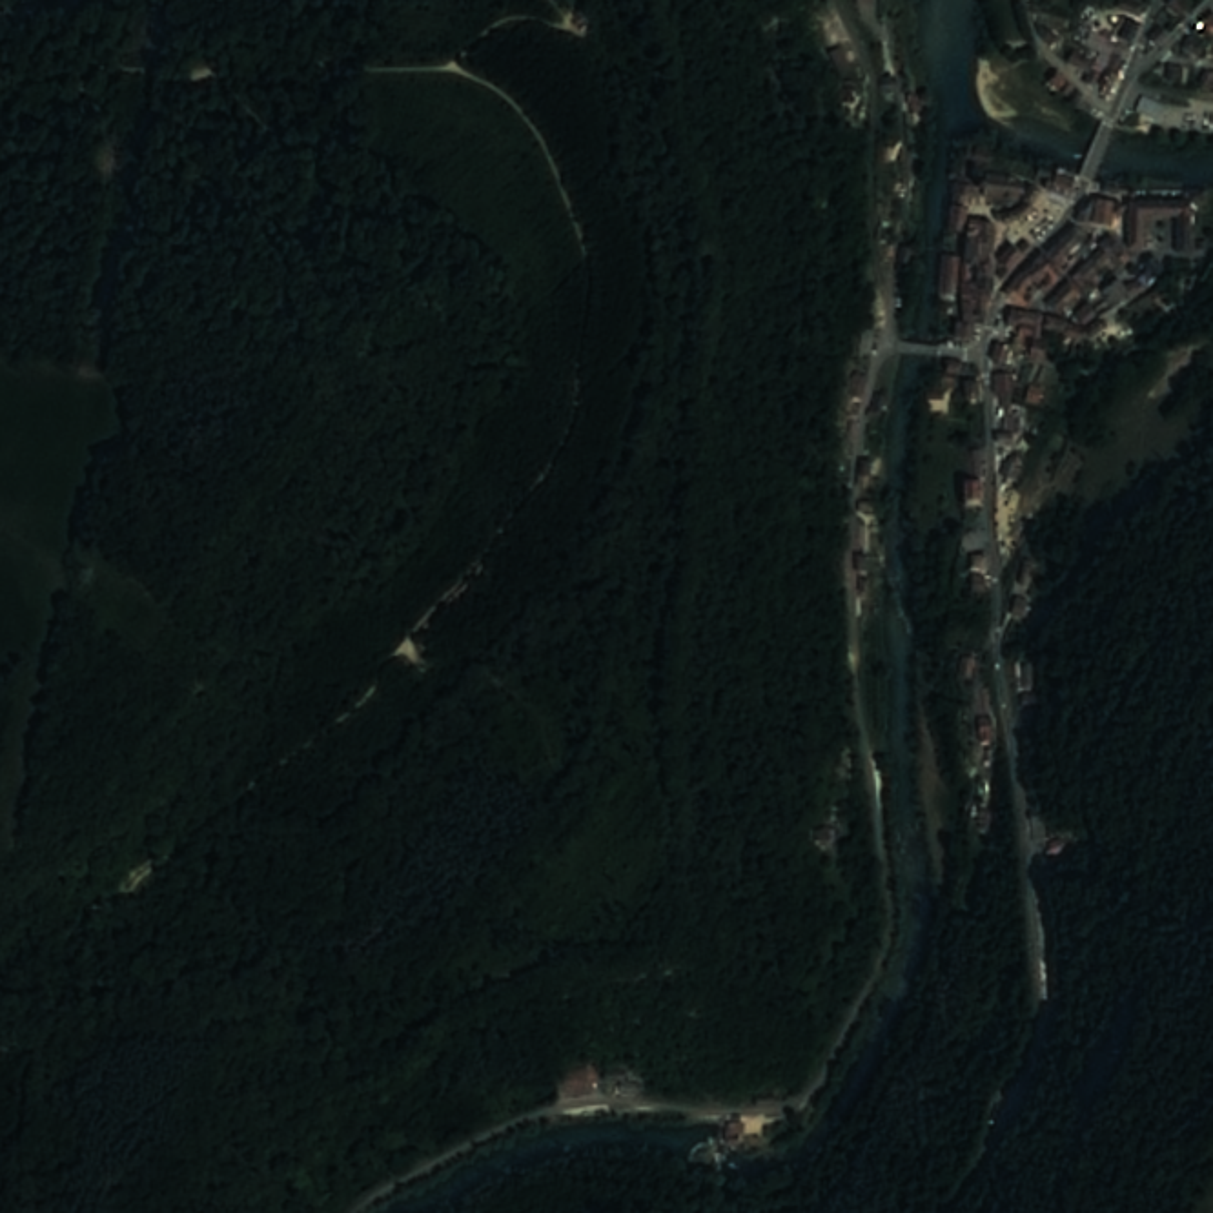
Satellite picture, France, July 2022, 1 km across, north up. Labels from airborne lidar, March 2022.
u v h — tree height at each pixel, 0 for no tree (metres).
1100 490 0
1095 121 0
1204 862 26
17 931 34
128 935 26
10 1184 19
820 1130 0
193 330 32
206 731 17
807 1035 18
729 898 22
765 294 22
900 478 0
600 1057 8
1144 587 27
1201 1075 16
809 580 26
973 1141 19
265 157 36
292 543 20
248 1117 28
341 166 28
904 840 0
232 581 27
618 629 29
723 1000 10
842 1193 29
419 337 10
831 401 21
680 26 19
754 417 27
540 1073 23
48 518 0
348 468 26
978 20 8
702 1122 0
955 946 28
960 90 0
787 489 28
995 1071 20
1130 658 22
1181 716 21
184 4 33
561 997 15
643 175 29
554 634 33
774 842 29
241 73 22
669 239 33
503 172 0
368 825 23
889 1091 28
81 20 26
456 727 27
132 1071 29
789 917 27
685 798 26
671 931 16
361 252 25
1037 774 20
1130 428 0
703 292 22
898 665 0
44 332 16
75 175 32
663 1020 10
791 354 27
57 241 27
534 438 7
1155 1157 30
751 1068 13
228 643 29
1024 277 0
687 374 34
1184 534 23
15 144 29
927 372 12
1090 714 23
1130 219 0
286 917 27
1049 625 26
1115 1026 18
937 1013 27
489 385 35
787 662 18
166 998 25
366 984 25
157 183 31
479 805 33
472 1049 29
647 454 34
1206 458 29
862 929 23
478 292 33
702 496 21
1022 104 0
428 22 0
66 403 0
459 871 31
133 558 25
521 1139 6
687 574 28
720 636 26
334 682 5
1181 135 13
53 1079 12
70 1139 29
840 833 0
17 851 9
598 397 7
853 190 21
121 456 25
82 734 23
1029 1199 23
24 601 0
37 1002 23
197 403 18
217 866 32
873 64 0
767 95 26
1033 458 0
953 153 8
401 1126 19
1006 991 10
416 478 33
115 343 15
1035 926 0
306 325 29
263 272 31
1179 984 36
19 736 0
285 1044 19
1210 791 22
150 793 13
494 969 0
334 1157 24
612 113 14
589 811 31
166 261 31
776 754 25
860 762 16
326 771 8
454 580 8
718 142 24
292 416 21
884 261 0
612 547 27
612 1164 22
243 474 20
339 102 31
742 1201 27
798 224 37
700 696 17
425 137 0
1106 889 20
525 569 12
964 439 13
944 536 11
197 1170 23
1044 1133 18
